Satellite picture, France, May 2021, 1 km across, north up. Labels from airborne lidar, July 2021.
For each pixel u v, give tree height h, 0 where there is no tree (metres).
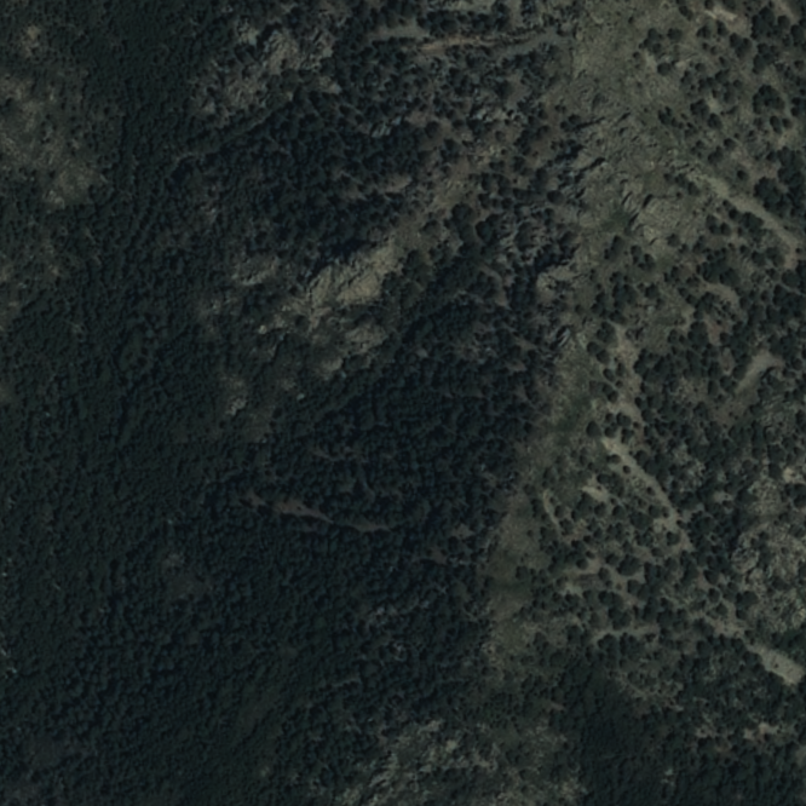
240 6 20
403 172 23
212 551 22
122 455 16
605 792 11
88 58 25
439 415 17
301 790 12
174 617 22
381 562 24
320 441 19
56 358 24
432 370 26
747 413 10
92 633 26
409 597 20
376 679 28
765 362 0
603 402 0
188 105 19
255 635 25
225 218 18
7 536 20
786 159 25
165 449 25
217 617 22
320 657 13
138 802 20
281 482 12
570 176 7
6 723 30
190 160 11
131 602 20
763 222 22
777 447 14
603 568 9
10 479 27
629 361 0
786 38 6
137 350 19
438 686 12
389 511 30
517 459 17
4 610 22
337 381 17
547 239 6
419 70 14
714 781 30
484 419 22
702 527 27
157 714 23
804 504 25
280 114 26
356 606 19
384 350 24
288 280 8
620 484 17
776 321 23
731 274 27
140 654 22
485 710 11
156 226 20
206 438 9
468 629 17
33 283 17
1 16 12
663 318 0
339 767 24
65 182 0
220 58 6
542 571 11
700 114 25
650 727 29
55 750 0
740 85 20
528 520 0
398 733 12
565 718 20
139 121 23
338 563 24
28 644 20
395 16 23
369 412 25
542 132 18
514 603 0
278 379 0
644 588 26
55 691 25
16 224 22
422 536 25
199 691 29
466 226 28
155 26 21
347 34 14
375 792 9
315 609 13
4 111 20
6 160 17
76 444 21
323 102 28
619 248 22
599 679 24
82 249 26
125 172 21
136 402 17
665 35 13
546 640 16
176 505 22
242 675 24
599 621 15
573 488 0
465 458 27
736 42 23
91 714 20
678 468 16
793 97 0
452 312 23
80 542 22
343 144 22
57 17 18
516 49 0
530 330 15
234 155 25
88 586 21
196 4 23
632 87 0
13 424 27
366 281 0
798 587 8
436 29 15
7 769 28
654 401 23
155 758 23
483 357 8
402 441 26
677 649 14
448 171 17
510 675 11
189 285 16
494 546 10
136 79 20
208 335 24
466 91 14
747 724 14
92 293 19
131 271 23
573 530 11
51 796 15
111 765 10
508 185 20
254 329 15
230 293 19
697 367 19
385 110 15
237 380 0
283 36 0
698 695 19
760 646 0
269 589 21
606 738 13
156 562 23
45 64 14
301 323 17
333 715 18
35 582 25
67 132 0
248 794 13
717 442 19
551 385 12
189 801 13
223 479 25
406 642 16
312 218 10
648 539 11
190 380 16
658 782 10
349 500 29
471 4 0
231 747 15
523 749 16
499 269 13
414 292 24
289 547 25
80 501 22
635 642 19
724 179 0
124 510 23
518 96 0
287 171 18
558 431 0
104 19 15
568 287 10
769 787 11
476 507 16
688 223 0
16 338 20
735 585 16
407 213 16
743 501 21
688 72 11
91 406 19
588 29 0
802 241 0
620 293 25
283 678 11
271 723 15
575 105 0
